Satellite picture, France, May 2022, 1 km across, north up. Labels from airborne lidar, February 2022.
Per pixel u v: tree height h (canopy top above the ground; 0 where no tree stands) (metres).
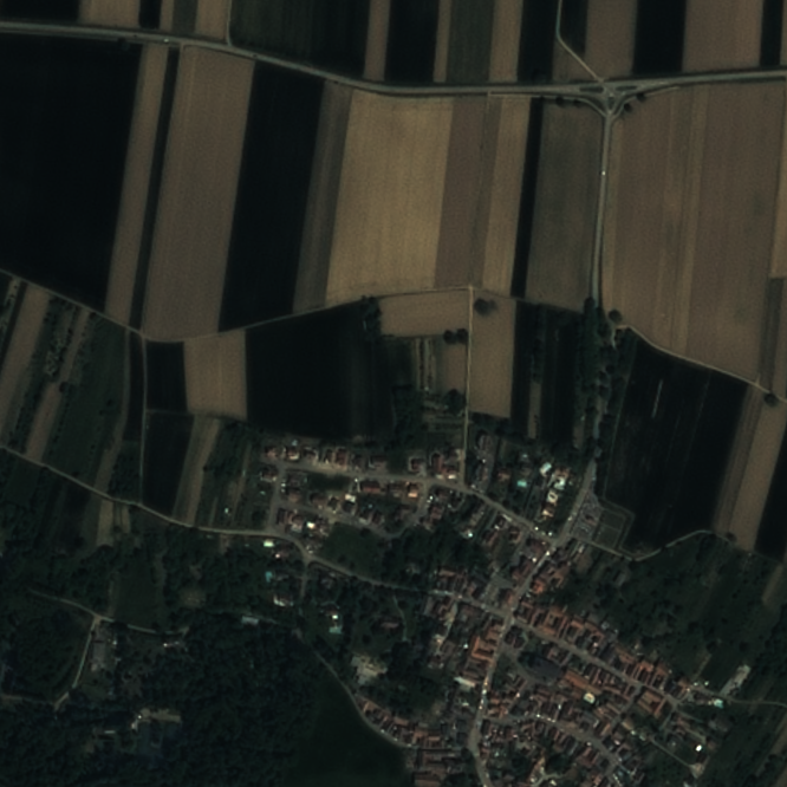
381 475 0
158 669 8
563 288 0
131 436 0
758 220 0
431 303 0
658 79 0
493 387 0
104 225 0
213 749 20
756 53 0
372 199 0
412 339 0
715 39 0
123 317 0
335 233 0
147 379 0
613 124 0
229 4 0
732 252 0
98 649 0
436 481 0
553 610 0
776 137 0
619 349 10
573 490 0
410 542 12
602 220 0
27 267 0
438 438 0
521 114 0
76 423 0
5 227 0
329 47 0
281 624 17
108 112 0
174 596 16
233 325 0
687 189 0
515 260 0
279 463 0
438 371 0
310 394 0
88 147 0
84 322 0
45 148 0
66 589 10
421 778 0
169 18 0
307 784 0
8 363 0
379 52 0
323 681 22
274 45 0
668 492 0
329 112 0
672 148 0
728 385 0
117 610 0
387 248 0
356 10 0
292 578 10
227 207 0
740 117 0
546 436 0
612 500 0
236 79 0
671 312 0
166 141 0
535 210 0
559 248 0
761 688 0
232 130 0
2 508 16
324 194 0
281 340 0
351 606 5
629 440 0
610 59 0
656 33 0
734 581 0
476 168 0
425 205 0
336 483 0
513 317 0
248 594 7
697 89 0
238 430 12
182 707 17
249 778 24
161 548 6
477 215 0
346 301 0
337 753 0
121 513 0
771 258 0
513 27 0
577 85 0
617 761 0
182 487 0
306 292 0
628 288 0
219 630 23
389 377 0
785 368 0
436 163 0
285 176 0
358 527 0
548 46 0
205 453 0
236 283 0
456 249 0
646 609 0
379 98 0
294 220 0
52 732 24
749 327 0
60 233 0
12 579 17
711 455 0
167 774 20
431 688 12
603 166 0
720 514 0
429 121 0
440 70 0
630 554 0
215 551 0
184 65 0
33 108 0
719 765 0
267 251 0
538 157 0
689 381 0
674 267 0
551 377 0
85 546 13
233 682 28
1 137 0
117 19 0
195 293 0
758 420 0
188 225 0
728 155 0
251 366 0
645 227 0
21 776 19
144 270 0
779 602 0
